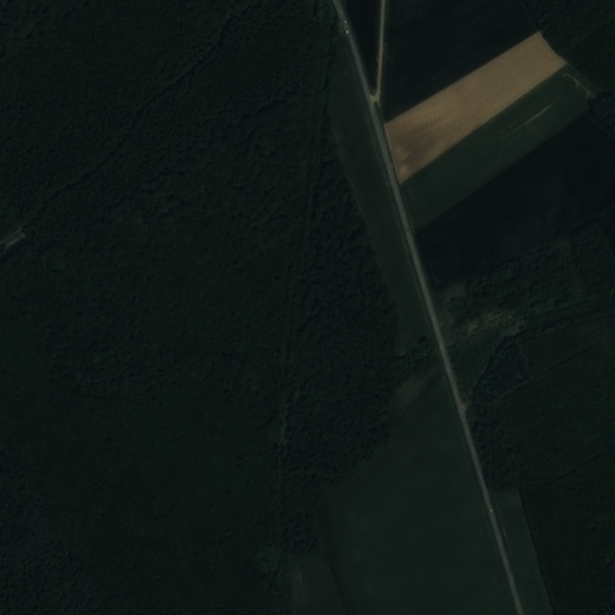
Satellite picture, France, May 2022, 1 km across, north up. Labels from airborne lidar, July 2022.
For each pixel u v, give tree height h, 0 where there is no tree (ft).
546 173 0
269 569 65
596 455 20
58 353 51
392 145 0
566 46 73
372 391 57
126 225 93
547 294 31
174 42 77
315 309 63
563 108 0
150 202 74
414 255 0
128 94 76
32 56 61
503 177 0
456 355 18
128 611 69
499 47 0
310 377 52
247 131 96
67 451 55
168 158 64
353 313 59
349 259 96
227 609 54
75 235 67
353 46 0
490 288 41
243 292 62
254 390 75
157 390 37
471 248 0
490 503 0
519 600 0
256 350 65
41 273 73
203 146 77
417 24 0
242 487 31
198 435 35
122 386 98
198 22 82
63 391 50
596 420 25
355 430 60
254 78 67
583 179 0
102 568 47
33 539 85
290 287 40
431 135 0
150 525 46
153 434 29
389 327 54
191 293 62
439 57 0
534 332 41
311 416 70
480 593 0
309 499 67
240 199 104
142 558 47
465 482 0
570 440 24
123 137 43
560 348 19
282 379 26
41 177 66
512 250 0
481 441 47
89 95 71
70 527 58
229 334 59
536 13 60
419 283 0
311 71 50
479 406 48
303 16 57
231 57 65
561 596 33
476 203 0
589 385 23
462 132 0
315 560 0
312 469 55
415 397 0
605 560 19
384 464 0
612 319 21
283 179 98
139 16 55
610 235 0
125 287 72
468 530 0
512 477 56
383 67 0
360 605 0
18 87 50
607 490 24
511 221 0
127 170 68
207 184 82
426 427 0
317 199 70
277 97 55
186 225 80
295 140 67
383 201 0
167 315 63
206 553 51
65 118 74
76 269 72
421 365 56
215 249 64
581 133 0
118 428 39
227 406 40
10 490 86
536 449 25
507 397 22
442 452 0
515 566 0
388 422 65
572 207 0
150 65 56
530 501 32
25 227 48
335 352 58
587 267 63
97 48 62
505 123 0
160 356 79
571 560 38
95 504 54
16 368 51
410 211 0
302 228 46
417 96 0
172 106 71
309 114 53
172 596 57
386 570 0
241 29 61
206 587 57
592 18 85
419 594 0
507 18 0
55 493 55
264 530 56
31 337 54
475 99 0
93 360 74
